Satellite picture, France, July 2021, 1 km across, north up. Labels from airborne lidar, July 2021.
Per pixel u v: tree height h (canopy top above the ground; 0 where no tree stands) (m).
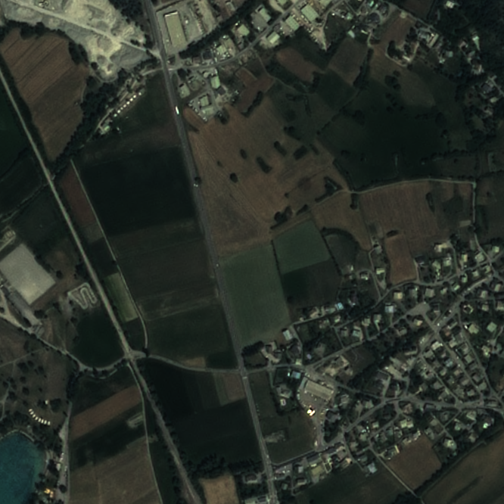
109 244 0
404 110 10
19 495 0
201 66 0
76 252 8
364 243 0
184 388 0
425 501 0
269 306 0
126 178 0
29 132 7
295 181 0
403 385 12
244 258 0
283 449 0
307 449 0
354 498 0
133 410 0
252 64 0
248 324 0
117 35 0
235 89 0
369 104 0
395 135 0
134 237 0
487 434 12
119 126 0
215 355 0
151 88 0
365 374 13
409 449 0
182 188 0
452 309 0
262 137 0
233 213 0
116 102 12
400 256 0
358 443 6
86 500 0
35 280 0
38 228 0
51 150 0
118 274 0
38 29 15
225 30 10
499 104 13
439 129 8
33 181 0
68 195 0
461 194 0
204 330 0
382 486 0
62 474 0
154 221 0
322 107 0
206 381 0
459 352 5
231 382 0
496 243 11
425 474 0
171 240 0
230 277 0
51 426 0
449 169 0
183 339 0
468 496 0
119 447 0
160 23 0
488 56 12
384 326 6
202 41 8
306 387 0
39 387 0
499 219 0
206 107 0
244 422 0
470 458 0
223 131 0
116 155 0
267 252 0
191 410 0
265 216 0
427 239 0
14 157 0
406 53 7
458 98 14
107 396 0
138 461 0
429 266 0
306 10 0
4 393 0
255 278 0
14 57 0
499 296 9
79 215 0
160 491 0
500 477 0
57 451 15
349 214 0
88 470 0
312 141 0
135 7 7
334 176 0
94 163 0
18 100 11
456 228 0
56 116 0
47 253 0
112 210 0
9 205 0
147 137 0
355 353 0
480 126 0
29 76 0
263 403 0
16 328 0
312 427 0
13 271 0
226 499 0
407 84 0
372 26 0
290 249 0
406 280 0
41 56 0
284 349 7
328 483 0
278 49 9
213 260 0
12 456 0
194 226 0
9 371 0
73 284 0
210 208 0
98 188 0
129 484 0
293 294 0
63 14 0
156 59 10
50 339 0
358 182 0
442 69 15
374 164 0
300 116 0
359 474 0
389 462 0
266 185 0
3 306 0
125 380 0
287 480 6
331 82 0
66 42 0
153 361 0
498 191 0
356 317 9
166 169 0
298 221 0
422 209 0
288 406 0
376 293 0
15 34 0
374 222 0
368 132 0
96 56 0
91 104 13
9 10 0
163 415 6
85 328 0
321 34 0
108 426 0
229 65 0
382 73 0
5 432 16
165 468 0
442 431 0
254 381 0
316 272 0
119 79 8
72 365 0
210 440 0
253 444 0
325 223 0
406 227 0
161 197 0
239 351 0
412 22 0
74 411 0
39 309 0
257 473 9
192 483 13
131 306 0
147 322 0
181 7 0
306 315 10
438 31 7
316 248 0
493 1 8
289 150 0
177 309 0
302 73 0
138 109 0
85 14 0
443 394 0
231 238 0
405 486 0
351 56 0
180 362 0
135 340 0
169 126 0
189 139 0
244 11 8
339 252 0
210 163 0
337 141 0
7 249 0
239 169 0
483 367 8
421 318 7
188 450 0
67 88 0
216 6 10
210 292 0
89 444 0
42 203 0
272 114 0
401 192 0
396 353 10
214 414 0
